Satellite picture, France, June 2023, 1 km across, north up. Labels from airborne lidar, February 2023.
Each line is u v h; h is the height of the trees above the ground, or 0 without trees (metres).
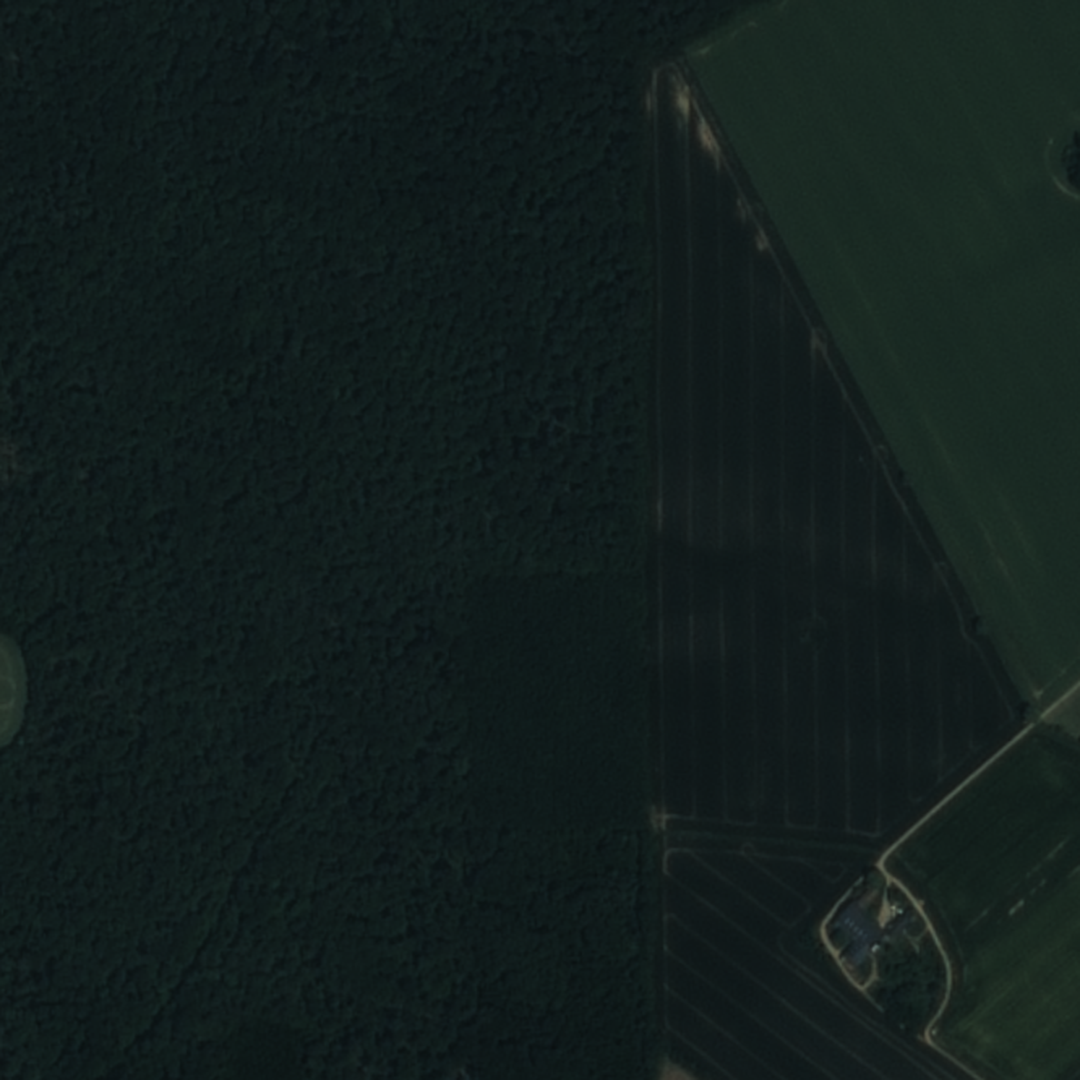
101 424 22
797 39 0
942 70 0
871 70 0
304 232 22
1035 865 0
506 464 31
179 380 22
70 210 25
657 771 0
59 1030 24
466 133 23
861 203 0
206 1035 20
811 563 0
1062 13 0
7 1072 32
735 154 0
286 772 26
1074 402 0
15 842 17
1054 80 0
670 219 0
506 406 28
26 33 22
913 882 0
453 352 26
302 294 26
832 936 5
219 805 26
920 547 0
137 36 23
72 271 21
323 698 25
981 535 0
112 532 24
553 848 22
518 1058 23
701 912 0
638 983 17
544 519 27
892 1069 0
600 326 21
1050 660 0
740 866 0
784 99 0
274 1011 21
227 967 25
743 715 0
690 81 0
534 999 23
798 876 0
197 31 27
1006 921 0
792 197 0
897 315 0
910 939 0
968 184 0
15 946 20
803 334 0
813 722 0
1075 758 0
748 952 0
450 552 27
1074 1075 0
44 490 22
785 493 0
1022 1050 0
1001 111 0
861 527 0
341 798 25
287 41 31
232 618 26
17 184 21
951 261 0
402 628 31
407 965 21
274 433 23
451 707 22
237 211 22
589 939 25
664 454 0
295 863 21
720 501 0
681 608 0
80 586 24
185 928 24
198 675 20
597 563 18
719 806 0
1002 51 0
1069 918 0
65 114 22
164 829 22
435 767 25
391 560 26
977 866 0
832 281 0
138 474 25
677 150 0
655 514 0
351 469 26
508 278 26
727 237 0
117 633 22
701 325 0
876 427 0
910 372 0
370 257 25
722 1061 0
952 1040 0
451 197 27
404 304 26
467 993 18
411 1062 28
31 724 15
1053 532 0
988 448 0
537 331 18
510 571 19
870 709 0
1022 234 0
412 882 22
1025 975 0
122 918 24
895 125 0
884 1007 9
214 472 26
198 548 28
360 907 27
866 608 0
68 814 22
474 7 31
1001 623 0
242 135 26
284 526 25
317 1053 26
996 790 0
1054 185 0
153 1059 23
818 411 0
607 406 28
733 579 0
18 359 25
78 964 24
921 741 0
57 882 22
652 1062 21
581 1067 17
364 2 29
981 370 0
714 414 0
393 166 24
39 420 25
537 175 27
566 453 28
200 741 25
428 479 21
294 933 26
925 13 0
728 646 0
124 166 25
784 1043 0
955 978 0
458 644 26
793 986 0
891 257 0
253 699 17
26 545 20
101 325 23
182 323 23
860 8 0
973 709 0
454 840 26
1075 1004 0
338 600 26
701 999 0
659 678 0
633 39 27
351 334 25
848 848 0
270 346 27
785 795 0
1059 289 0
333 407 24
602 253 20
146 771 18
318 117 27
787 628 0
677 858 0
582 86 33
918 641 0
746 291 0
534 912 23
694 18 27
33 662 17
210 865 23
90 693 24
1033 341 0
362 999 27
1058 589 0
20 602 23
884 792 0
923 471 0
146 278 23
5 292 22
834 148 0
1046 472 0
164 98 24
